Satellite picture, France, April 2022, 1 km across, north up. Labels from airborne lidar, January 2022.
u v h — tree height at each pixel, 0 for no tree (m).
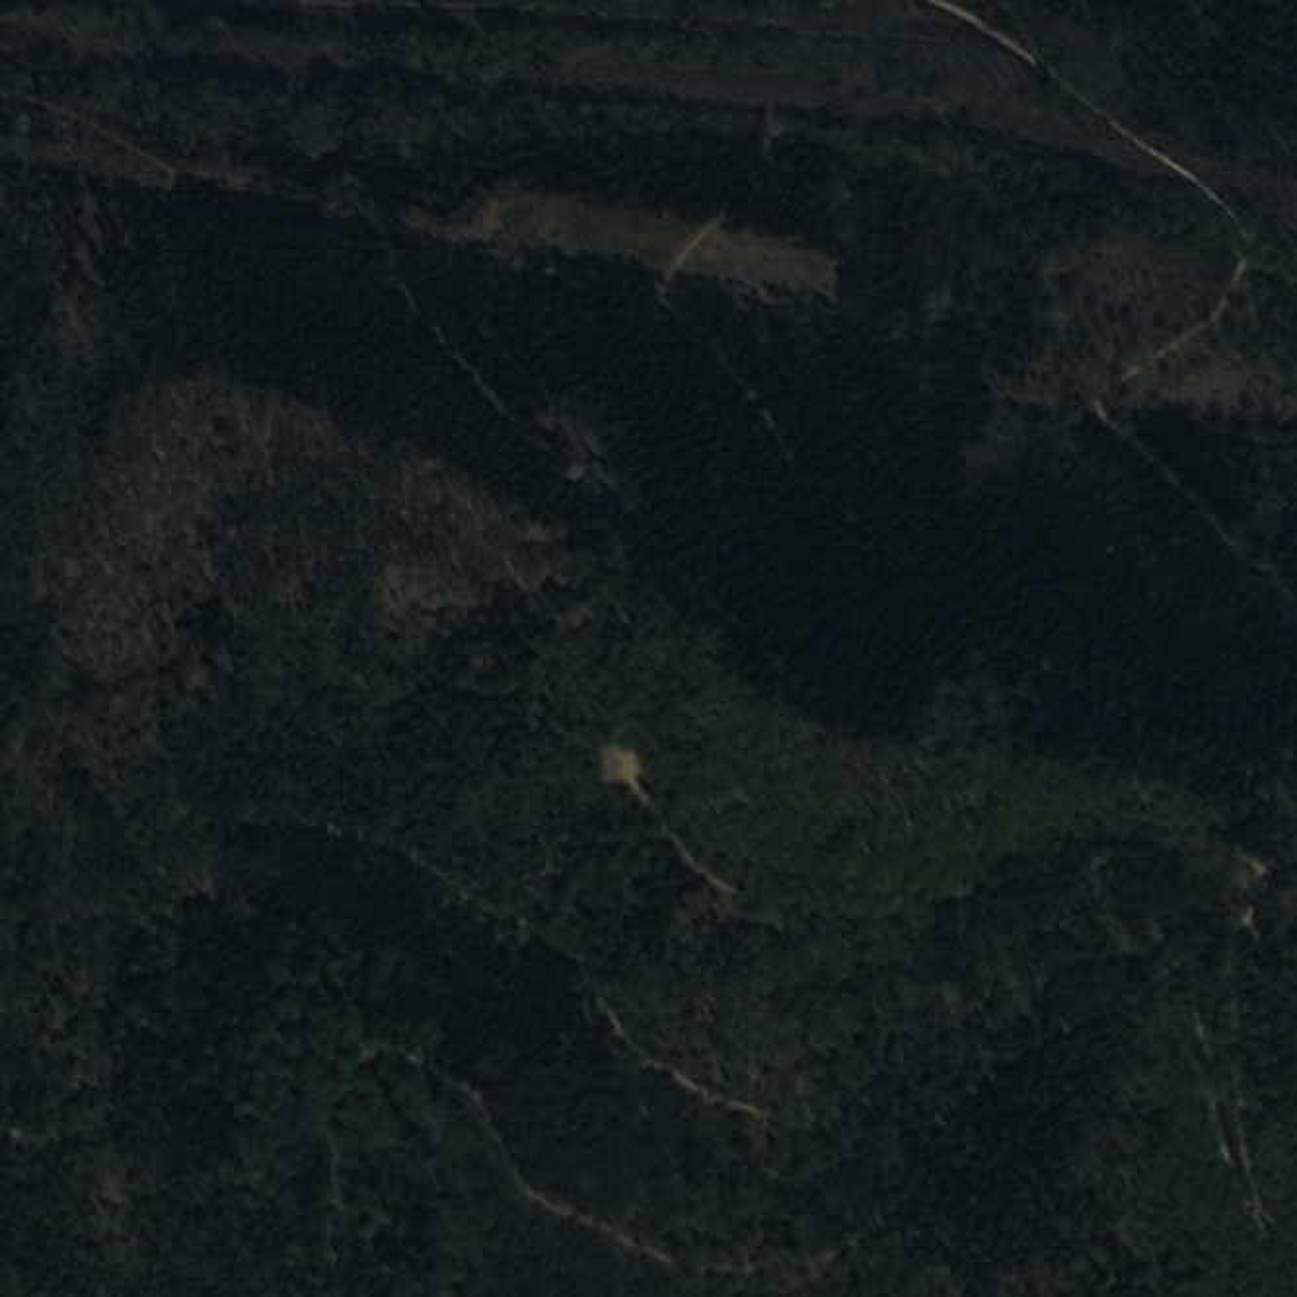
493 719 24
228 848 26
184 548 19
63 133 6
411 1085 15
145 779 22
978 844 19
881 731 22
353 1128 32
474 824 18
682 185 28
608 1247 11
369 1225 22
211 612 15
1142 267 6
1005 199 18
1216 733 27
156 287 24
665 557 27
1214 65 29
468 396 21
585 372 29
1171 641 23
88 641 14
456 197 12
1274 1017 16
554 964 22
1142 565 27
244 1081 22
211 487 16
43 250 17
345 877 23
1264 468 24
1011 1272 26
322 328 28
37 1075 11
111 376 16
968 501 28
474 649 19
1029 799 19
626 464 31
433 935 15
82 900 25
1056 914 19
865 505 29
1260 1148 13
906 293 22
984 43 18
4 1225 14
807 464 24
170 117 20
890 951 20
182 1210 22
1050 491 29
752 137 24
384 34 19
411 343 27
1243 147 26
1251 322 10
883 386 24
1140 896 31
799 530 30
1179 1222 16
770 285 0
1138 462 24
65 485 18
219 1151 22
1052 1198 35
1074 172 13
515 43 14
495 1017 16
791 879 20
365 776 13
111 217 13
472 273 30
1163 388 10
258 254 21
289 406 16
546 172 23
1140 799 13
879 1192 21
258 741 32
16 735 15
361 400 25
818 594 28
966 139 11
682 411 30
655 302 33
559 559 21
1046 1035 23
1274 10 33
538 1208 11
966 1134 34
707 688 22
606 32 22
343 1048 18
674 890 9
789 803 17
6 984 19
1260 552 28
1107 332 12
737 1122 8
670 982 15
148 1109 31
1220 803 16
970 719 19
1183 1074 21
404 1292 26
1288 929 20
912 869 16
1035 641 30
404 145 14
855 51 13
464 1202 16
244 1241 17
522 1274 9
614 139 28
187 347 23
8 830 21
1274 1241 16
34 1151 18
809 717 18
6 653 19
